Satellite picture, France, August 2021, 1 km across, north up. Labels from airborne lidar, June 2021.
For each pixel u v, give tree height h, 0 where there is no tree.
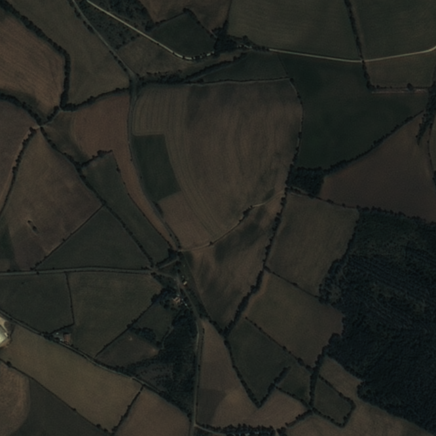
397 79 0
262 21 0
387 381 17
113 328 0
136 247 0
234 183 0
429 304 12
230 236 0
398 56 0
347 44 0
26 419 0
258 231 0
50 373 0
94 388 0
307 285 0
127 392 0
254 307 0
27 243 0
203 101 0
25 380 0
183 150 0
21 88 0
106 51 0
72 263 0
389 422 0
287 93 0
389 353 12
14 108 0
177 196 0
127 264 0
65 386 0
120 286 0
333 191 0
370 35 0
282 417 0
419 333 13
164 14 0
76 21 0
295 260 0
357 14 0
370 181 0
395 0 0
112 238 0
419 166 0
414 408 19
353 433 0
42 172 0
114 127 0
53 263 0
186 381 6
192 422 9
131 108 0
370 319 7
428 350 16
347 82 0
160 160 0
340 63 0
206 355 0
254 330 0
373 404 13
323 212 0
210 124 0
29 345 0
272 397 0
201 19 0
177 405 9
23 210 0
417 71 0
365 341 11
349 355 18
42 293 0
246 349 0
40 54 0
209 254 0
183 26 0
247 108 0
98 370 0
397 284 13
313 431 0
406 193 0
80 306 0
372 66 0
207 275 0
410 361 16
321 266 0
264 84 0
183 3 0
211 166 0
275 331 0
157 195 0
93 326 0
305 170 12
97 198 6
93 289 0
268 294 0
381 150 0
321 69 0
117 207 0
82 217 0
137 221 0
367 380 12
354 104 0
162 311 0
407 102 0
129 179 0
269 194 0
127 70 9
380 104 0
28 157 0
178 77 6
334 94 0
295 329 0
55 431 0
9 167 0
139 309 0
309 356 0
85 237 0
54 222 0
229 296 0
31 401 0
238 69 0
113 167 0
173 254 20
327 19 0
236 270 0
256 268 0
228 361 0
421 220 13
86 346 0
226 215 0
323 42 0
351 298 14
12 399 0
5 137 0
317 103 0
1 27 0
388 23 0
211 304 0
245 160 0
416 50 0
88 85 0
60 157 0
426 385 14
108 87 0
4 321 0
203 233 0
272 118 0
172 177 0
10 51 0
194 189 0
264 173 0
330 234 0
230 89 0
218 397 0
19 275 0
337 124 0
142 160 0
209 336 0
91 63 0
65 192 0
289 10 0
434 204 0
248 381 0
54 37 0
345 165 12
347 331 14
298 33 0
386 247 6
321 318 0
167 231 0
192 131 0
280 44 0
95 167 0
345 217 0
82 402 0
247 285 0
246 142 0
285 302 0
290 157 0
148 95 0
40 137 0
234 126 0
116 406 0
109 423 0
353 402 10
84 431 0
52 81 0
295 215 0
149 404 0
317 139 0
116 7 8
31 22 6
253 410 0
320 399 0
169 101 0
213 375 0
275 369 0
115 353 0
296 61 0
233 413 0
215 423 0
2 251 0
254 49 9
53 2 0
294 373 0
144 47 0
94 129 0
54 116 8
